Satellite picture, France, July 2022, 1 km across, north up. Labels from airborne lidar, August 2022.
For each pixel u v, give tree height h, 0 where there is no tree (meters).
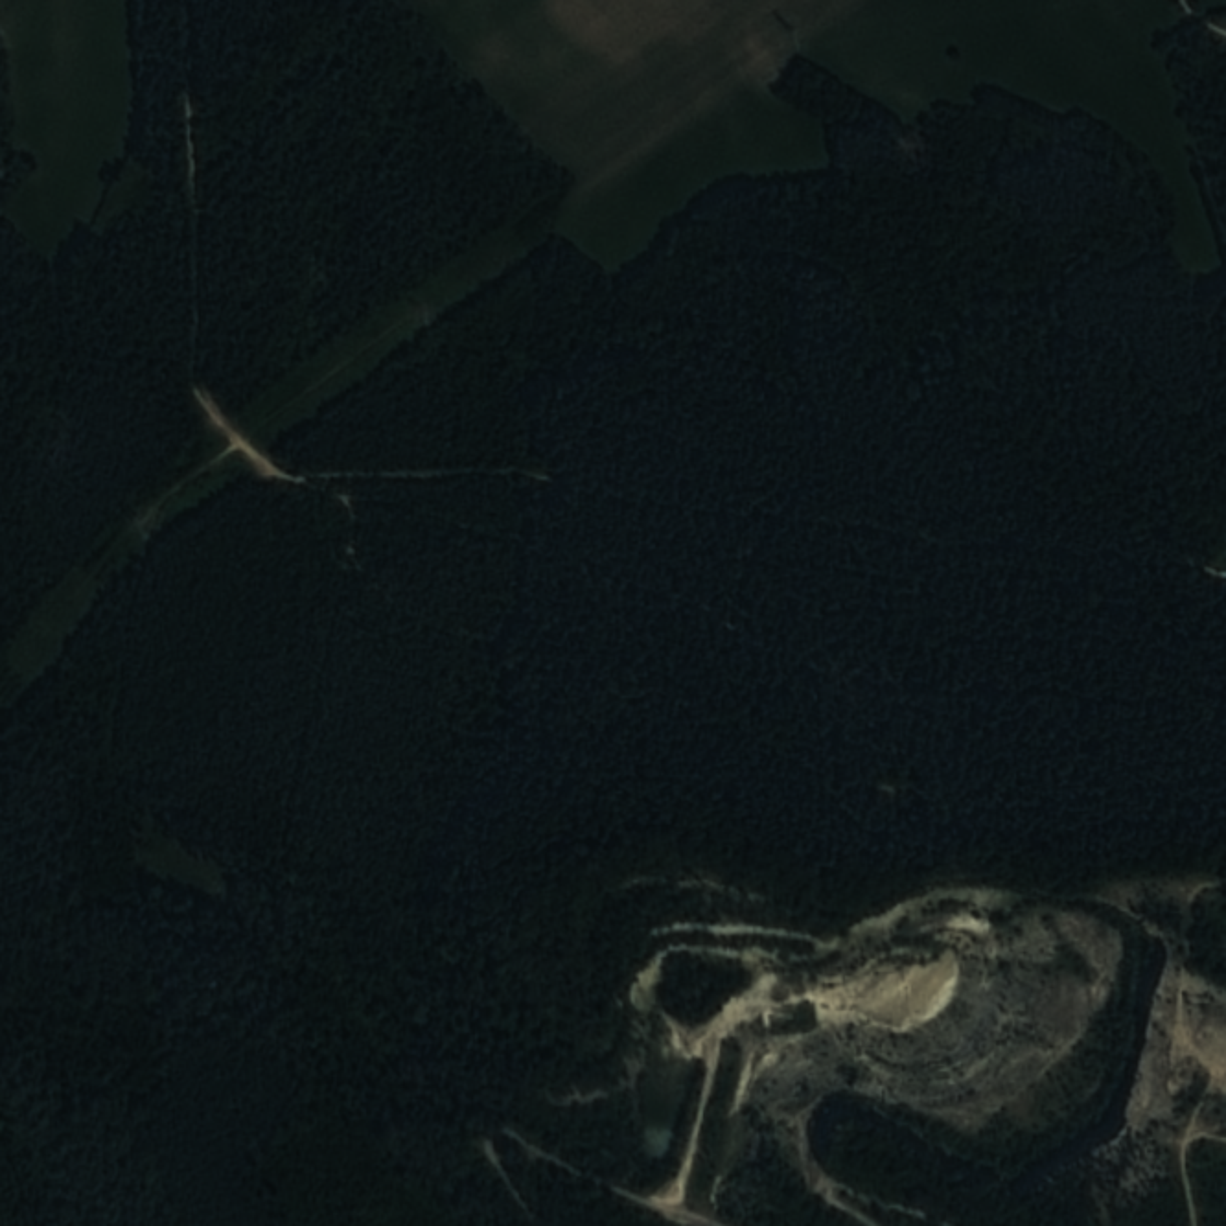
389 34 11
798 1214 9
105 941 25
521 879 25
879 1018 0
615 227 0
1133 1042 17
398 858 19
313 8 15
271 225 18
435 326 9
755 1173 8
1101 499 30
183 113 9
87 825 7
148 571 17
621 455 34
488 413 14
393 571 18
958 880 11
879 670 37
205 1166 22
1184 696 28
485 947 23
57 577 15
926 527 30
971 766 33
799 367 30
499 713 9
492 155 18
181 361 17
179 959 26
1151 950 12
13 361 16
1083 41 0
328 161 20
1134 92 0
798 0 0
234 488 16
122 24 0
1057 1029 0
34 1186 12
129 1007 10
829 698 36
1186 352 25
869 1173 12
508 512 11
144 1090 8
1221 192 12
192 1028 19
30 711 17
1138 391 22
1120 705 27
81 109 0
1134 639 29
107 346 18
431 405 13
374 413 15
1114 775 31
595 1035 11
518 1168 19
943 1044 0
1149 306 30
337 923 15
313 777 20
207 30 24
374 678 21
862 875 26
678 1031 0
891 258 10
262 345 17
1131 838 25
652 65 0
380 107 16
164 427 15
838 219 13
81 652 13
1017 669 31
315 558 12
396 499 12
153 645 16
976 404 27
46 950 19
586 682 32
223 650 17
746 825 32
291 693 20
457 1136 21
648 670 32
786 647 35
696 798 27
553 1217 24
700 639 33
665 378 26
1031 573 31
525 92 0
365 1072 9
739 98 0
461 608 18
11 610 14
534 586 27
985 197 14
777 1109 0
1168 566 25
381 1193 8
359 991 12
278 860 10
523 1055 12
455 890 10
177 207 11
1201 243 0
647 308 15
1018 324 28
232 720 18
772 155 0
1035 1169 8
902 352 9
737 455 33
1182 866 9
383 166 18
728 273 24
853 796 35
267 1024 19
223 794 19
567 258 22
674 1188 0
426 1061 22
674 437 36
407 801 20
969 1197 17
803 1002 0
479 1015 20
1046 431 26
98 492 17
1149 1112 0
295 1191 7
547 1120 11
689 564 34
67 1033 8
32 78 0
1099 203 24
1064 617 33
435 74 15
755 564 34
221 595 15
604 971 20
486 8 0
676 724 33
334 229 12
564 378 36
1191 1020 0
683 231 19
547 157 6
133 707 15
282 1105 20
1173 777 23
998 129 6
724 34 0
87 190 0
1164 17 0
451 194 14
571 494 34
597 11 0
